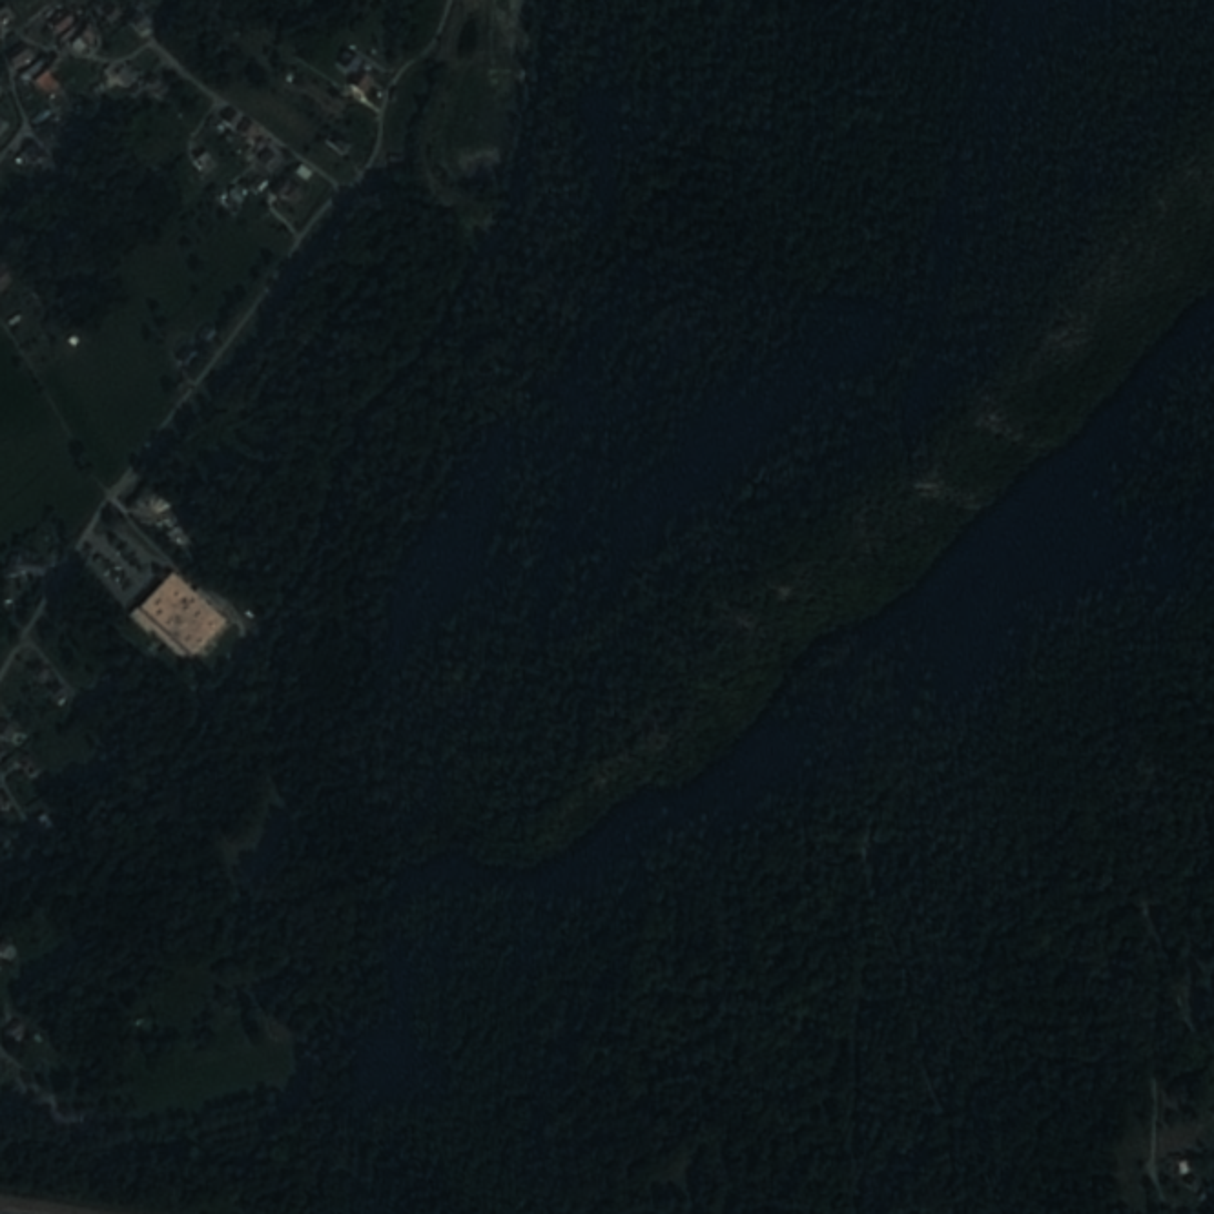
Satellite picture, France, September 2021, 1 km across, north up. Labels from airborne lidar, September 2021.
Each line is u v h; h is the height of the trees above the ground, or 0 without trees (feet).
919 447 30
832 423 77
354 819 96
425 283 68
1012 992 86
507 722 65
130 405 0
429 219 69
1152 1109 45
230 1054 0
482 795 62
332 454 73
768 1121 65
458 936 60
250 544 61
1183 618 56
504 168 35
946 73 68
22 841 50
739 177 74
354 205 66
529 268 88
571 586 69
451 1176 62
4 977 0
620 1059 73
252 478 85
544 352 50
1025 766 69
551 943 40
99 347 0
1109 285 28
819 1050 71
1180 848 44
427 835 67
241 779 79
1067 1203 92
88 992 66
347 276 86
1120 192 52
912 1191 50
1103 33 58
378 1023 36
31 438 0
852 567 44
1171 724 95
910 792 52
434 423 72
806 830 76
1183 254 42
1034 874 103
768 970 46
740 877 57
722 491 73
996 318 43
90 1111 28
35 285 76
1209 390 45
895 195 81
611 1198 65
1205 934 71
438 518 93
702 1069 72
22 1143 115
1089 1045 69
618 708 48
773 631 47
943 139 48
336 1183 71
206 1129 47
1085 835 85
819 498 49
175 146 0
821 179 80
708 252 90
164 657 0
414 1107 36
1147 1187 38
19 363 31
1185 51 77
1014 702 68
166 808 85
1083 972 91
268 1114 57
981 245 71
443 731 62
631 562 79
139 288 0
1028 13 55
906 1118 62
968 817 63
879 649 71
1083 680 61
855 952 82
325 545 63
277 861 73
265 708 65
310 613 85
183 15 59
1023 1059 99
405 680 58
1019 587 52
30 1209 0
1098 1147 95
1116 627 60
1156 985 61
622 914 64
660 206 105
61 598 81
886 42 71
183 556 33
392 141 0
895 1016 68
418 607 53
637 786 56
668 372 95
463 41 23
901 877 58
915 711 65
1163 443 63
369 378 64
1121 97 68
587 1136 71
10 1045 46
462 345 68
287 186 0
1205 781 94
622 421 85
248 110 0
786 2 75
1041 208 60
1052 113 61
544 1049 54
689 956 80
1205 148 30
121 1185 108
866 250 82
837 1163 48
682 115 54
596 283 66
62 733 33
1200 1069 59
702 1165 65
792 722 66
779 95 61
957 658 36
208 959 60
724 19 59
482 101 0
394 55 45
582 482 53
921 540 49
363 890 74
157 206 76
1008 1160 49
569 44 67
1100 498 39
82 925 81
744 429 53
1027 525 60
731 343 79
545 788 35
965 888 52
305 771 97
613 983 76
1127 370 59
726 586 73
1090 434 44
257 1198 100
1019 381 35
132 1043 49
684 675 45
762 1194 44
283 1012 70
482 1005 69
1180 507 76
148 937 112
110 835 83
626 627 52
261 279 40
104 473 0
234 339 0
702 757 63
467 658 41
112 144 61
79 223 81
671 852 53
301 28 67
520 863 59
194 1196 93
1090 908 80
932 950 54
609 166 101
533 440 66
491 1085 48
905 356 75
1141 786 44
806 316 60
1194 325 68
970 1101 68
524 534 53
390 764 48
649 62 69
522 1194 55
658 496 69
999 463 52
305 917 85
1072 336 21
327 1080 88
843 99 68
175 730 80
